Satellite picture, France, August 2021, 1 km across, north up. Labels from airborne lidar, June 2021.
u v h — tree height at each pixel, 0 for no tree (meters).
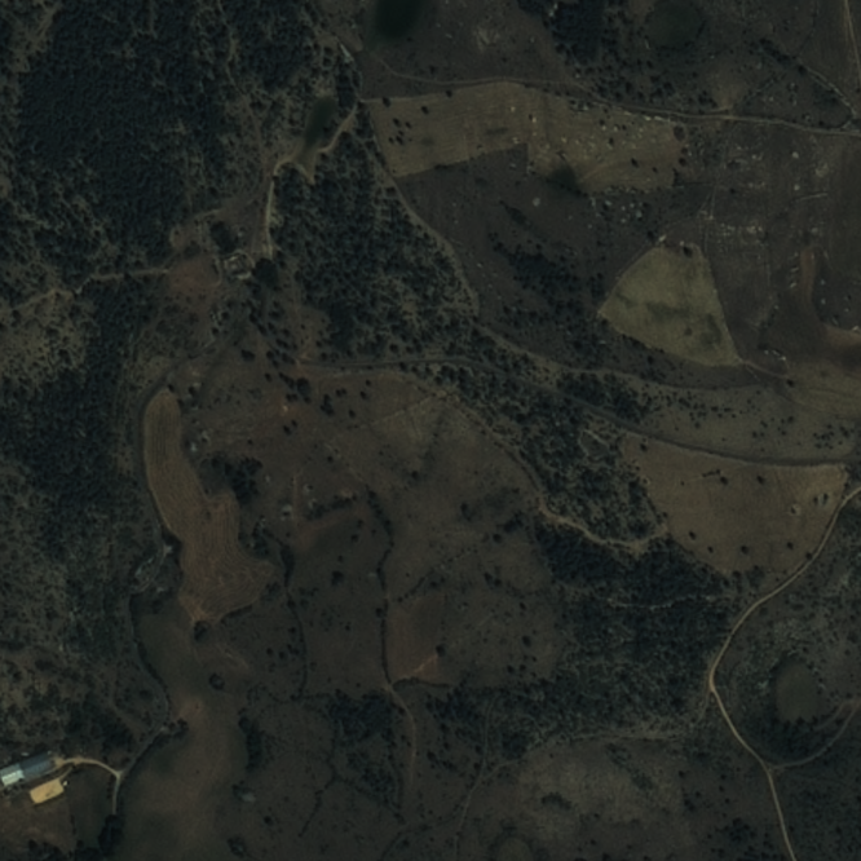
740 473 0
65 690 0
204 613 0
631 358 0
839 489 0
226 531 0
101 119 11
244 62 9
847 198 0
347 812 0
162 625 0
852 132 0
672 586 8
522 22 0
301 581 0
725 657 0
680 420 0
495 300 0
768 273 0
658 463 0
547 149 0
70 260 9
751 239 0
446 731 10
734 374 0
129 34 8
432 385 0
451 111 0
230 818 0
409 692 0
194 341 0
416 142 0
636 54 0
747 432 0
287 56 9
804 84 0
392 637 0
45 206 9
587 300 0
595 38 18
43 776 6
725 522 0
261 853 0
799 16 0
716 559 0
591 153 0
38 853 7
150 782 0
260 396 0
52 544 8
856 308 0
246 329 0
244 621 0
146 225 10
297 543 0
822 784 0
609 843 0
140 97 8
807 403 0
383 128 0
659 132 0
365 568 0
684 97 0
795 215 0
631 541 0
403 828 0
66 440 10
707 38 0
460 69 0
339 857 0
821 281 0
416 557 0
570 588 0
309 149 0
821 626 0
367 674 0
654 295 0
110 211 8
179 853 0
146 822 0
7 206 7
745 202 0
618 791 0
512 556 0
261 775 0
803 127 0
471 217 0
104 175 10
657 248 0
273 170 0
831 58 0
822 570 0
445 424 0
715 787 0
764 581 0
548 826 0
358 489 0
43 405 9
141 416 0
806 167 0
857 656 0
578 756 0
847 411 0
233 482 8
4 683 0
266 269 11
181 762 0
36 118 10
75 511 9
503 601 0
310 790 0
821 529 0
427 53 0
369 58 0
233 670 0
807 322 0
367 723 8
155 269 0
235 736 0
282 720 0
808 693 0
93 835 0
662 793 0
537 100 0
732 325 0
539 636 0
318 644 0
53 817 0
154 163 10
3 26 11
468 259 0
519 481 0
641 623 10
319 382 0
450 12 0
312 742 0
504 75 0
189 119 12
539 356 0
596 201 0
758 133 0
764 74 0
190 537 0
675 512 0
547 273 10
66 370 8
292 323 0
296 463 0
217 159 7
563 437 9
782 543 0
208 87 12
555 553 9
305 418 0
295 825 0
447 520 0
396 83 0
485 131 0
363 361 0
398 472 0
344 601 0
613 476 0
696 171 0
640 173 0
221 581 0
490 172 0
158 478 0
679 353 0
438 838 0
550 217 0
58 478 8
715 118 0
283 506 0
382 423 0
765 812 0
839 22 0
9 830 0
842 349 0
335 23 0
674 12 0
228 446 0
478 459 0
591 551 8
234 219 0
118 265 11
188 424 0
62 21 12
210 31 12
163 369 0
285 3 11
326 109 0
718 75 0
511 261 7
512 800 0
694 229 0
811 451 0
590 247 0
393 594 0
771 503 0
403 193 0
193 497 0
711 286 0
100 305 9
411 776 0
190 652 0
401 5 0
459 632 0
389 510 0
